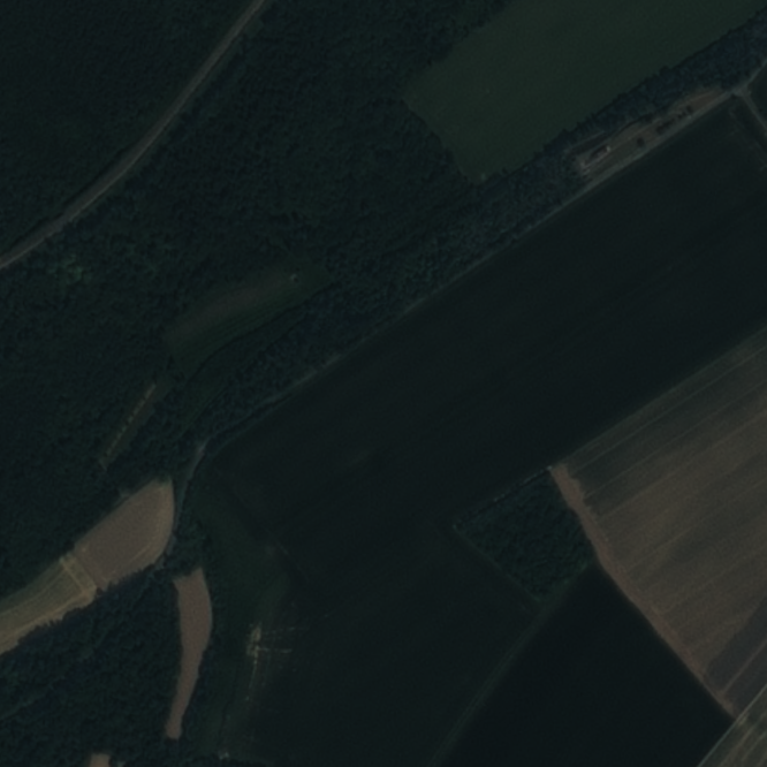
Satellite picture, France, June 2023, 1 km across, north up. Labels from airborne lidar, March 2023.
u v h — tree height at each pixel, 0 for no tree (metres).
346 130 23
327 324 26
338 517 0
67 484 15
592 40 0
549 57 0
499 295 0
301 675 0
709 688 0
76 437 20
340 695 0
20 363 19
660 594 0
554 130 0
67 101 18
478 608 0
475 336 0
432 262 16
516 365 0
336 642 0
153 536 0
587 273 0
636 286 0
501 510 12
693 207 0
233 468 0
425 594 0
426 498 0
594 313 0
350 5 24
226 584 0
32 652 13
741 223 0
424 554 0
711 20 0
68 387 20
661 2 0
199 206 18
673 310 0
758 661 0
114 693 7
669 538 0
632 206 0
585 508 0
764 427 0
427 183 27
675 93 17
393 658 0
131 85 19
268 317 0
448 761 0
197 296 8
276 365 9
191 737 13
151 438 11
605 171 0
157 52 20
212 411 18
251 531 0
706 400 0
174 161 13
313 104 19
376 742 0
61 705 18
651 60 0
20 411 22
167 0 14
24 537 20
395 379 0
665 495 0
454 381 0
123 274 27
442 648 0
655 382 0
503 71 0
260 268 17
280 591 0
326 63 22
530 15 0
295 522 0
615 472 0
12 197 24
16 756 16
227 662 0
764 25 17
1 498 16
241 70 15
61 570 0
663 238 0
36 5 18
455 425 0
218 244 21
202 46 14
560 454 0
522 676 0
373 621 0
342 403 0
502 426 0
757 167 0
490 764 0
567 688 0
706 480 0
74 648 26
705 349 0
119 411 24
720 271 0
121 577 0
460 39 9
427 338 0
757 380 0
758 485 0
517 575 14
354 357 0
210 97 19
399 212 28
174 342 0
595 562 0
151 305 17
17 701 14
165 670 22
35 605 0
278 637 0
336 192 21
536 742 0
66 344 17
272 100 11
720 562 0
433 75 0
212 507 0
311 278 0
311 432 0
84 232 21
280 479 0
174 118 0
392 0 19
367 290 18
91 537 0
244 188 17
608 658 0
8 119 13
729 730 0
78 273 6
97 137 16
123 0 19
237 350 6
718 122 0
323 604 0
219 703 0
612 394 0
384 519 0
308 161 21
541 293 0
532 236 0
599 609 0
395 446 0
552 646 0
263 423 0
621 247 0
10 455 19
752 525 0
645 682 0
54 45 15
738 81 6
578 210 0
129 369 18
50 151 13
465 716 0
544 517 17
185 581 0
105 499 12
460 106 0
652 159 0
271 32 6
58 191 14
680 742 0
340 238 20
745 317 0
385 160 24
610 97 0
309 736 0
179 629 12
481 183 0
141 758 14
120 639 17
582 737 0
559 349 0
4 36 15
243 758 0
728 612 0
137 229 20
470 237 18
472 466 0
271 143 18
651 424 0
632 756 0
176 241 20
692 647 0
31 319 19
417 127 20
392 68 23
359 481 0
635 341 0
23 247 0
